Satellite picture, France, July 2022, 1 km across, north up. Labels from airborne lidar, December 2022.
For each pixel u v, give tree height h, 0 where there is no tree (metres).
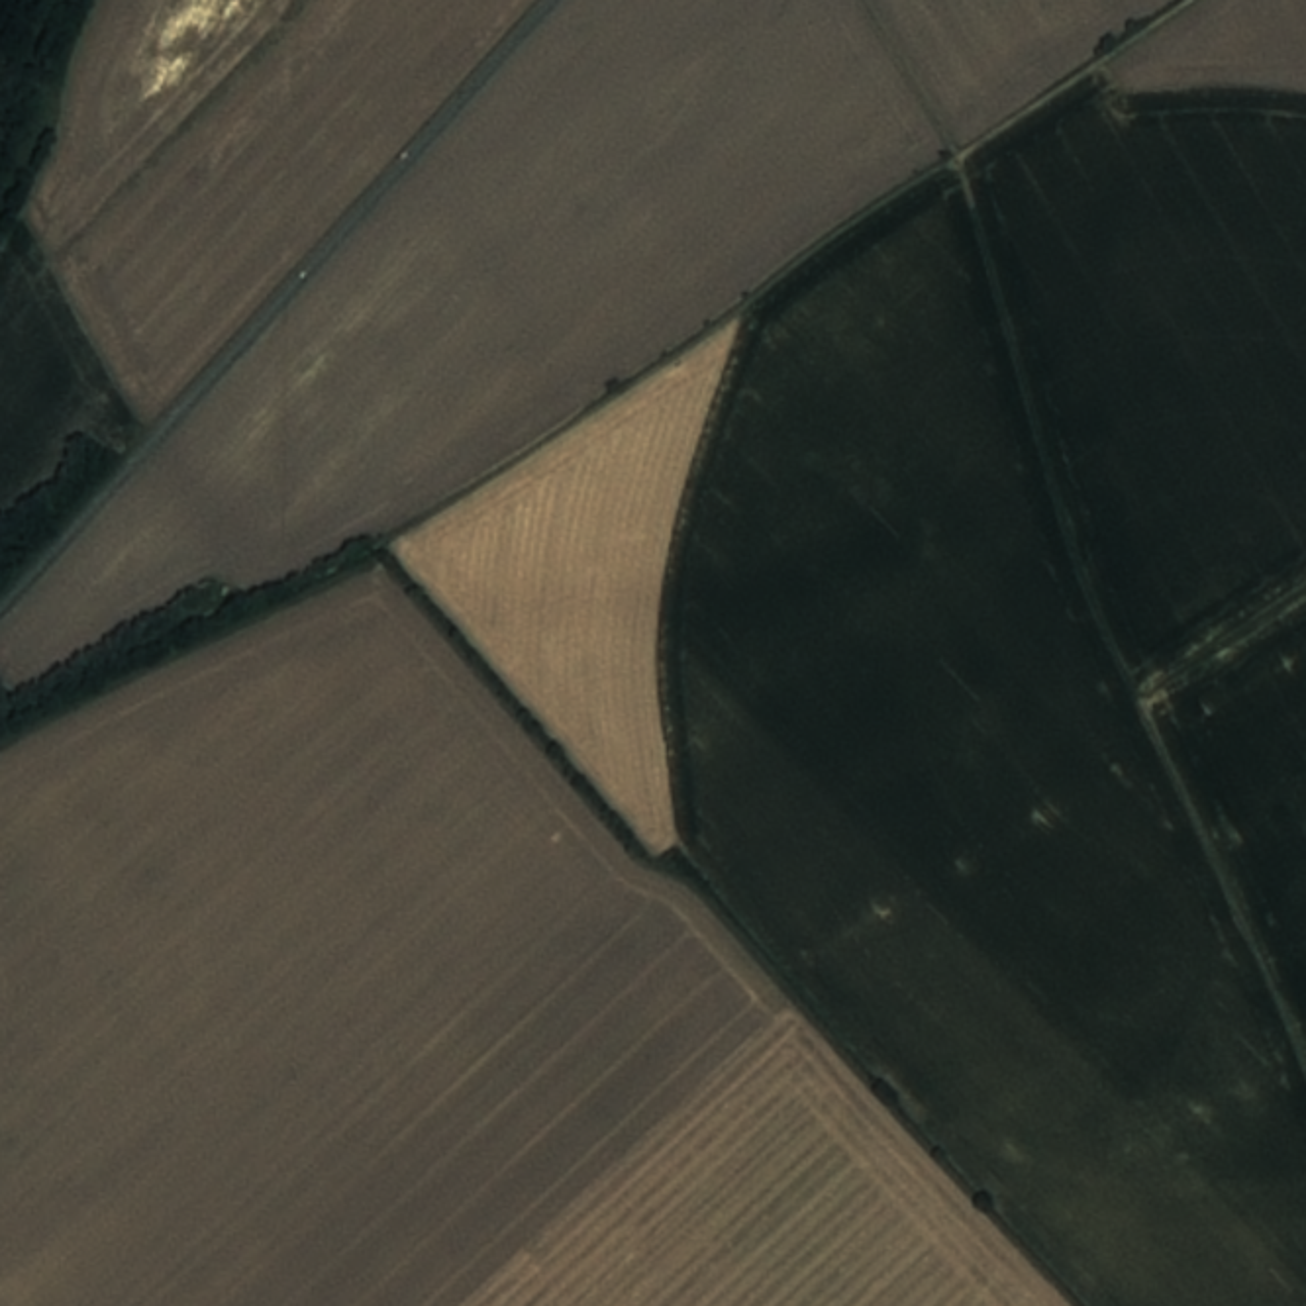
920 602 0
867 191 0
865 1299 0
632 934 0
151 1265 0
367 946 0
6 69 19
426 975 0
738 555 0
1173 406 0
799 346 0
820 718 0
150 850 0
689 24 0
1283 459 0
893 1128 0
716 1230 0
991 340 0
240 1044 0
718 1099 0
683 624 0
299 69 0
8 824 0
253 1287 0
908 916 0
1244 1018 0
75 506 17
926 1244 0
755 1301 0
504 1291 0
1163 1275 0
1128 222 0
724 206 0
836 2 0
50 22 20
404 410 0
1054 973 0
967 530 0
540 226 0
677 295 0
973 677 0
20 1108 0
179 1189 0
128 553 0
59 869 0
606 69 0
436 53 0
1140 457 0
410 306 0
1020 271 0
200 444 0
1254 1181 0
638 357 0
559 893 0
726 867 0
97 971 0
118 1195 0
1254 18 0
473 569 0
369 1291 0
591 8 0
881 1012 0
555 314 0
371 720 0
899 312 0
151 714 0
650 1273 0
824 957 0
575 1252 0
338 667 0
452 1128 0
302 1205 0
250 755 0
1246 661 0
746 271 0
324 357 0
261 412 0
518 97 0
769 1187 0
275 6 0
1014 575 0
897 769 0
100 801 0
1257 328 0
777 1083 0
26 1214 0
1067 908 0
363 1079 0
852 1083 0
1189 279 0
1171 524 0
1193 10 0
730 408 0
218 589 10
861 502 0
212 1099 0
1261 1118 0
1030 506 0
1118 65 0
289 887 0
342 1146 0
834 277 0
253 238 0
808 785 0
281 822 0
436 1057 0
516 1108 0
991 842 0
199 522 0
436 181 0
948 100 0
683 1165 0
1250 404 0
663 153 0
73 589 0
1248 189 0
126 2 0
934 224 0
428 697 0
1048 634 0
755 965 0
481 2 0
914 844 0
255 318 0
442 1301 0
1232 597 0
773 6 0
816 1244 0
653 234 0
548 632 0
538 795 0
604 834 0
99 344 0
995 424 0
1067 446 0
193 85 0
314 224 0
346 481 0
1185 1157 0
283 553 0
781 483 0
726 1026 0
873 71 0
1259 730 0
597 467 0
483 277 0
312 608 0
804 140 0
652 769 0
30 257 0
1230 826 0
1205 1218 0
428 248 0
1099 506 0
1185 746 0
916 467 0
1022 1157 0
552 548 0
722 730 0
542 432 0
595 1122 0
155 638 13
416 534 0
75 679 13
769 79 0
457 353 0
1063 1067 0
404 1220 0
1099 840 0
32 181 19
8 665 0
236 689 0
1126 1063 0
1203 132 0
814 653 0
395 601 0
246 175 0
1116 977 0
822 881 0
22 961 0
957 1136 0
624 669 0
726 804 0
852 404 0
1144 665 0
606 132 0
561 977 0
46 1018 0
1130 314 0
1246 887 0
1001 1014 0
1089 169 0
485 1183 0
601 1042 0
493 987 0
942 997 0
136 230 0
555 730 0
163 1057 0
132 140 0
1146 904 0
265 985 0
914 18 0
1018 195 0
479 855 0
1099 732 0
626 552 0
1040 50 0
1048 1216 0
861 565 0
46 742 0
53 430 0
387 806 0
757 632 0
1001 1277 0
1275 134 0
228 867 0
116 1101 0
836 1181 0
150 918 0
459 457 0
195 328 0
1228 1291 0
